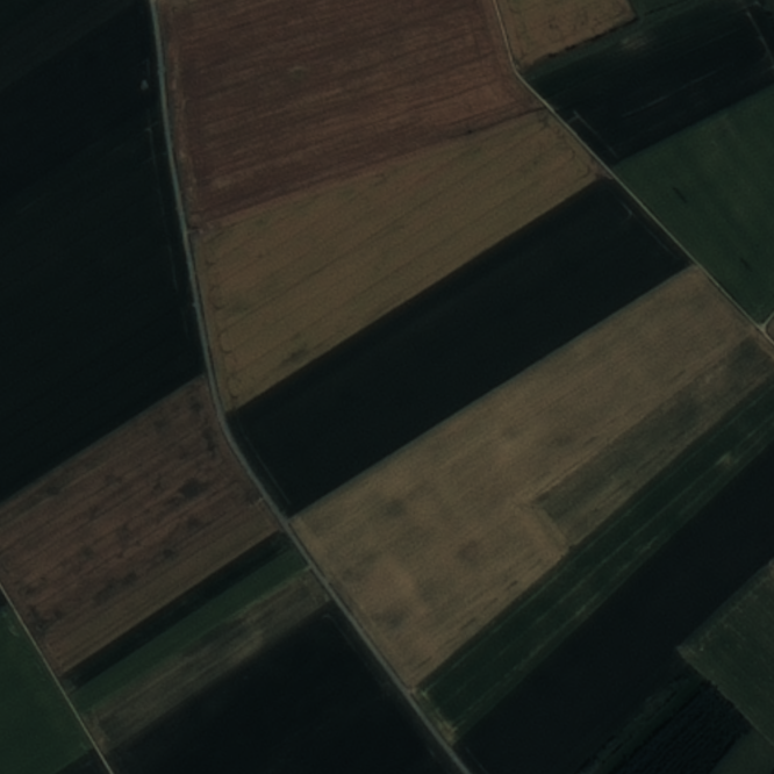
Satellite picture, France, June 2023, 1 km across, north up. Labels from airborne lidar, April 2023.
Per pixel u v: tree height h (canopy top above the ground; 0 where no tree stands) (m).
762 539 0
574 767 0
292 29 0
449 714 0
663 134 0
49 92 0
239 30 0
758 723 0
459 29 0
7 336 0
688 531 0
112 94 0
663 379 0
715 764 9
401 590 0
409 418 0
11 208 0
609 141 0
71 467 0
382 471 0
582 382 0
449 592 0
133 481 0
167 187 0
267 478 0
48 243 0
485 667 0
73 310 0
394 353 0
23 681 0
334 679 0
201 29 0
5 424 0
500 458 0
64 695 0
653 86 0
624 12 0
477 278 0
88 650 0
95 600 0
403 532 0
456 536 0
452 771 0
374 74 0
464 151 0
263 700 0
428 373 0
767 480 0
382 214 0
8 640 0
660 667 0
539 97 0
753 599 0
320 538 0
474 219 0
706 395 0
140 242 0
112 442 0
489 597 0
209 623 0
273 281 0
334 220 0
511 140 0
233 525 0
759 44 0
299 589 0
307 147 0
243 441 0
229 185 0
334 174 0
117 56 0
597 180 0
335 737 0
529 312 0
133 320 0
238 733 0
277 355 0
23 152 0
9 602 0
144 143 0
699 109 0
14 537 0
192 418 0
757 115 0
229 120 0
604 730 0
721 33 0
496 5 0
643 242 0
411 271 0
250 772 0
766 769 0
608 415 0
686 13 0
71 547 0
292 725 0
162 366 0
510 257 0
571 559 0
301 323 0
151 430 0
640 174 0
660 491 0
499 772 0
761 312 0
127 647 0
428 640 0
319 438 0
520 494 0
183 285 0
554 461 0
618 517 0
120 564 0
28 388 0
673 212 0
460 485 0
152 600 0
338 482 0
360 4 0
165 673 0
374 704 0
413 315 0
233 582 0
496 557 0
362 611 0
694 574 0
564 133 0
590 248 0
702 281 0
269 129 0
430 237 0
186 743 0
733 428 0
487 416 0
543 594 0
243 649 0
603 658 0
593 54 0
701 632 0
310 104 0
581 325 0
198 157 0
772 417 0
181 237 0
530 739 0
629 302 0
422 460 0
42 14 0
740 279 0
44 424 0
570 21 0
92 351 0
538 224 0
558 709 0
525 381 0
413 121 0
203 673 0
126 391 0
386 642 0
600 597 0
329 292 0
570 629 0
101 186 0
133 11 0
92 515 0
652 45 0
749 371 0
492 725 0
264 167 0
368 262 0
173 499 0
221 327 0
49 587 0
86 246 0
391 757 0
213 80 0
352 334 0
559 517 0
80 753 0
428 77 0
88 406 0
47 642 0
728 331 0
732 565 0
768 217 0
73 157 0
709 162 0
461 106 0
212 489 0
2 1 0
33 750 0
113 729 0
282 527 0
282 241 0
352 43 0
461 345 0
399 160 0
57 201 0
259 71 0
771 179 0
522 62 0
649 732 0
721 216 0
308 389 0
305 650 0
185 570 0
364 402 0
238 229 0
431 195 0
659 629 0
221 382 0
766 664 0
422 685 0
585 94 0
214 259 0
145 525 0
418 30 0
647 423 0
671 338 0
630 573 0
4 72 0
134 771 0
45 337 0
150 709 0
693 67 0
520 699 0
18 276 0
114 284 0
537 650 0
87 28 0
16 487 0
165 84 0
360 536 0
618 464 0
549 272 0
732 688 0
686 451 0
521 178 0
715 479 0
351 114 0
